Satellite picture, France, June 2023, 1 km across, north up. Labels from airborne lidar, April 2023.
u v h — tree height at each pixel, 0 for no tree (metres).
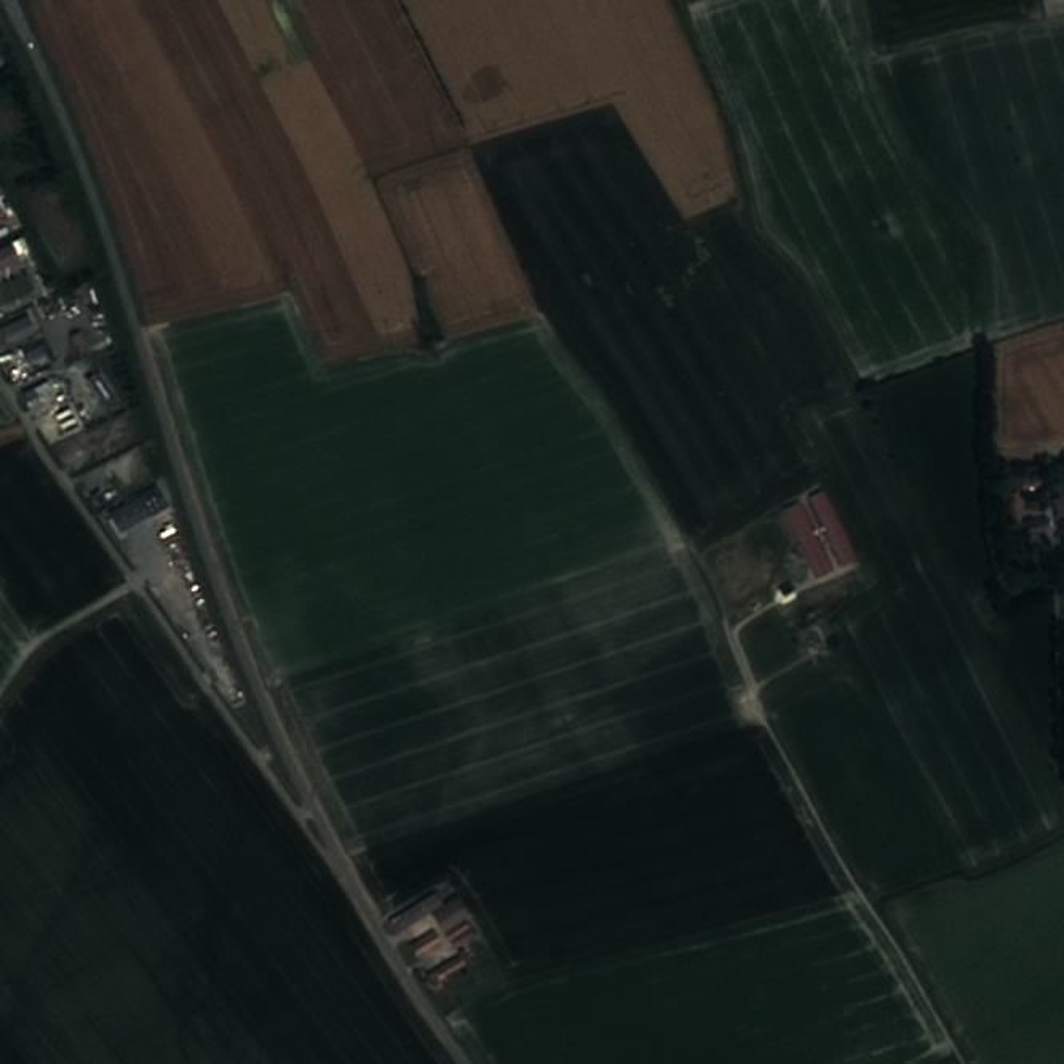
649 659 0
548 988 0
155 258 0
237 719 0
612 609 0
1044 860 0
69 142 0
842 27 0
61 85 0
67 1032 0
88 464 0
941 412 0
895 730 0
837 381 0
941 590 0
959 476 0
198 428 0
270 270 0
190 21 0
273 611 0
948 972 0
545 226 0
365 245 0
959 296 0
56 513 0
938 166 0
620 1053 0
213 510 0
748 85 0
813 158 0
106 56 0
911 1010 0
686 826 0
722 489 0
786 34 0
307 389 0
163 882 0
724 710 0
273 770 0
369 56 0
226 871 0
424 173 0
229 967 0
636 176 0
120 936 0
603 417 0
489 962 0
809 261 0
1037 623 0
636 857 0
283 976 0
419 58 0
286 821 0
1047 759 0
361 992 0
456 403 0
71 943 0
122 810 0
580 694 0
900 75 0
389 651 0
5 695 0
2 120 0
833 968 0
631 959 0
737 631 0
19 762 0
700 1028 0
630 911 0
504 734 0
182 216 0
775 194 0
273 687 0
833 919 0
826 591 0
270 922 0
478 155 0
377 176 0
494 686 0
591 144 0
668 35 0
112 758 0
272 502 0
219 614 0
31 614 0
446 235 0
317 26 0
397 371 0
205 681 0
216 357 0
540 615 0
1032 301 0
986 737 0
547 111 0
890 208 0
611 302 0
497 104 0
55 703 0
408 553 0
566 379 0
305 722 0
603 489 0
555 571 0
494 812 0
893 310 0
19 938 0
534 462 0
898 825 0
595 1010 0
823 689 0
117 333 0
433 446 0
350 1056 0
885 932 0
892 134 0
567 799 0
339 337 0
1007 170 0
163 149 0
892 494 0
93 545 0
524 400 0
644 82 0
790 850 0
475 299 0
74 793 0
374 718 0
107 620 0
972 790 0
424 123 0
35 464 0
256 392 0
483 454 0
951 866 0
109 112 0
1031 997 0
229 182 0
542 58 0
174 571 0
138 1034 0
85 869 0
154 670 0
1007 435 0
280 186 0
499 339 0
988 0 0
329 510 0
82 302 0
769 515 0
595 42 0
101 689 0
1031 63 0
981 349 20
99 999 0
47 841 0
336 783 0
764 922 0
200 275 0
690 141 0
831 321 0
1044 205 0
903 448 0
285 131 0
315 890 0
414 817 0
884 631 0
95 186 0
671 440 0
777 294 0
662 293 0
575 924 0
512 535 0
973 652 0
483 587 0
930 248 0
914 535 0
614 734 0
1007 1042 0
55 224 0
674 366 0
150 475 0
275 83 0
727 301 0
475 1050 0
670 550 0
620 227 0
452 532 0
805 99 0
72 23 0
